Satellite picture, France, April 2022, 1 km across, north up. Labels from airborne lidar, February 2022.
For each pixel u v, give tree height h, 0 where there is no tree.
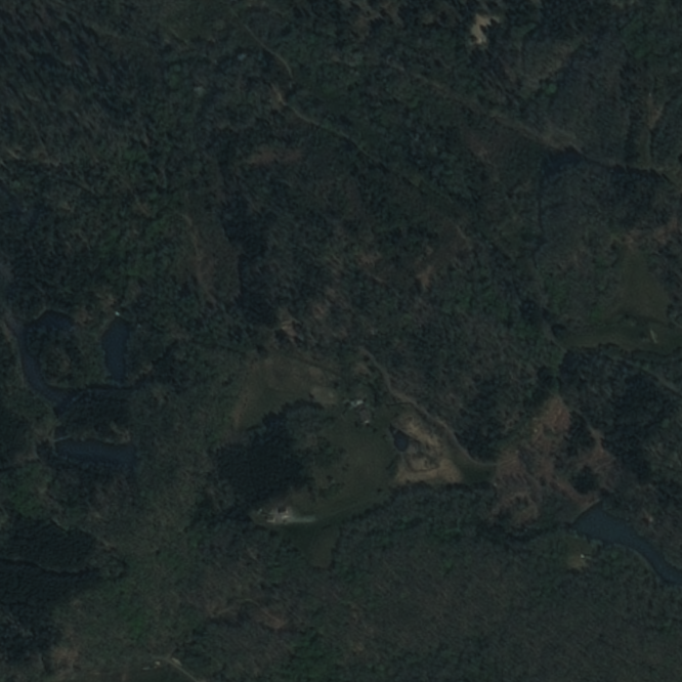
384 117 18
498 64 25
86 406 23
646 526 22
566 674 24
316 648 22
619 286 22
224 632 24
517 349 25
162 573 29
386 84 14
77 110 0
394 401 7
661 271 17
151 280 17
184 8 11
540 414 12
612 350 8
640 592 18
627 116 20
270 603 6
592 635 20
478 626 25
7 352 11
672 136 19
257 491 16
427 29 25
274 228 25
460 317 26
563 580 20
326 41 29
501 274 31
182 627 24
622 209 13
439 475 0
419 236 10
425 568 24
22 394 19
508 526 10
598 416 16
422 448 0
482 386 25
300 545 0
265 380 0
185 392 13
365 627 23
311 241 14
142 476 28
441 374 17
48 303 22
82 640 27
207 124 28
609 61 25
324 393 0
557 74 8
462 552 24
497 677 20
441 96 9
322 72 26
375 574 22
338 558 19
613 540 0
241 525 19
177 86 9
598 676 24
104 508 17
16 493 26
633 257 0
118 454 0
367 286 22
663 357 8
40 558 24
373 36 12
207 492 21
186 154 29
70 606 23
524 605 23
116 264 11
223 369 12
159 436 17
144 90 10
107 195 7
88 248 7
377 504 0
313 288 17
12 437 11
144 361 18
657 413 21
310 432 16
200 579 28
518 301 32
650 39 25
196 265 0
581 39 25
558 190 21
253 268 20
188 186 10
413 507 18
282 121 9
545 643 23
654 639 26
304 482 12
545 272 18
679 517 23
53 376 8
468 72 18
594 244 19
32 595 25
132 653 26
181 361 7
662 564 0
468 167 7
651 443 16
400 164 21
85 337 18
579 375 23
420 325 22
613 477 0
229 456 18
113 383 12
